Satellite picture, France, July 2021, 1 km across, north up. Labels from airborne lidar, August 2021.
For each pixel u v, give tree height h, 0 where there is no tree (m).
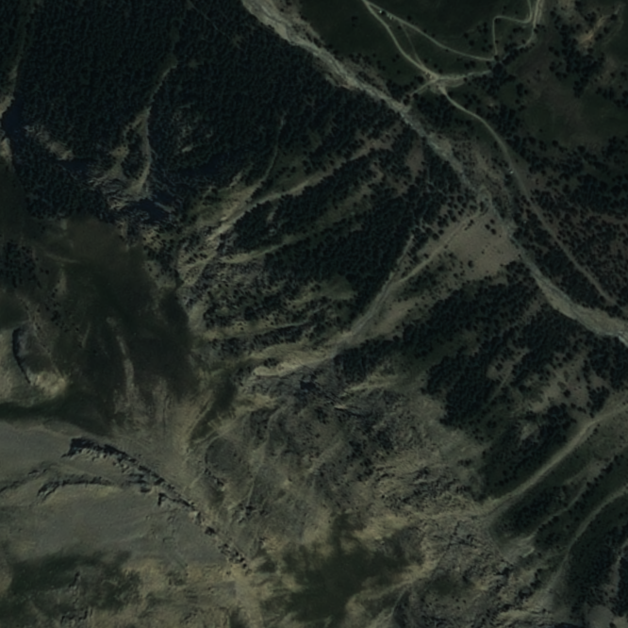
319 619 0
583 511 9
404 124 11
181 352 0
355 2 0
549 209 13
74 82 12
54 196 9
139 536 0
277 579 0
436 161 15
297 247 14
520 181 0
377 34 0
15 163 8
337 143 27
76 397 0
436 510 0
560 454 0
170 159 13
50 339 0
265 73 16
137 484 0
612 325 0
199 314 0
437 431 0
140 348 0
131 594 0
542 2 0
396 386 0
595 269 9
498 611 7
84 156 17
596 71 14
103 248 0
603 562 10
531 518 9
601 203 19
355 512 0
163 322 0
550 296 0
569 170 17
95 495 0
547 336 14
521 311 12
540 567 0
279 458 0
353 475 0
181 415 0
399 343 19
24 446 0
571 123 0
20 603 0
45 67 18
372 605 0
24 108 16
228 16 21
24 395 0
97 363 0
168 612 0
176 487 0
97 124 14
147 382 0
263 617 0
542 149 13
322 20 0
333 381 0
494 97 12
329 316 7
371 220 14
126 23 18
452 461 0
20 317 0
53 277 0
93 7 15
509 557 0
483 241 0
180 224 9
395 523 0
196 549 0
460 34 0
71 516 0
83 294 0
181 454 0
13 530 0
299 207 23
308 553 0
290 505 0
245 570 0
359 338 0
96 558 0
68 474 0
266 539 0
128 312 0
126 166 9
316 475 0
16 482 0
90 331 0
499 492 0
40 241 0
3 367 0
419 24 0
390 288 0
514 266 11
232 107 18
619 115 0
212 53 21
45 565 0
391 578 0
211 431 0
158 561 0
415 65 0
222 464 0
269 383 0
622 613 12
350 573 0
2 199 0
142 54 19
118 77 20
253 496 0
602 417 0
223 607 0
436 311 14
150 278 0
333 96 9
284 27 0
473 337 0
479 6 0
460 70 0
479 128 0
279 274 7
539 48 0
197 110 21
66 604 0
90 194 9
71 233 0
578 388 0
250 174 14
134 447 0
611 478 0
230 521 0
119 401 0
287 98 12
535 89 0
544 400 0
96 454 0
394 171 11
